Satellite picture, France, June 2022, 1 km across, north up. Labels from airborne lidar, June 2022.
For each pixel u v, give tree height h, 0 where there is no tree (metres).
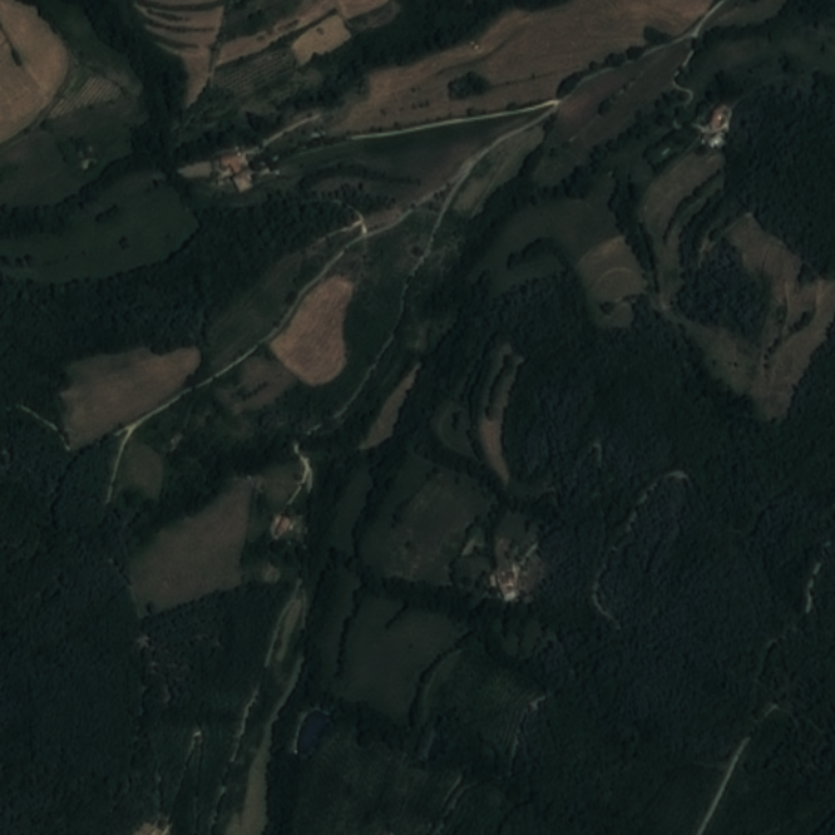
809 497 15
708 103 11
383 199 10
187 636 17
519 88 0
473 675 6
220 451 12
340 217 6
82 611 24
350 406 9
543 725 13
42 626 23
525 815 13
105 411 0
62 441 8
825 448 19
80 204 11
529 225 0
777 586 22
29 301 15
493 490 10
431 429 15
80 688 35
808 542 13
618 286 0
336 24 0
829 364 12
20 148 0
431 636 0
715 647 17
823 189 17
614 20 0
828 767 18
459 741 11
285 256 7
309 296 0
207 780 11
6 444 12
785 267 0
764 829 7
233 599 21
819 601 12
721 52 0
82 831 13
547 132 8
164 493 9
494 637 20
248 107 0
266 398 0
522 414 6
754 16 0
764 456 17
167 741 7
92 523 29
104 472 23
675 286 0
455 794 6
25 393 18
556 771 8
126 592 21
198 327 15
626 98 0
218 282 12
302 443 16
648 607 20
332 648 0
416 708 15
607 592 13
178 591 0
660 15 0
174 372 0
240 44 0
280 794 17
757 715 16
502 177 0
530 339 17
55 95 0
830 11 6
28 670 34
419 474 0
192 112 9
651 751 16
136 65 14
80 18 0
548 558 9
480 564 0
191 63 0
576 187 23
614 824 20
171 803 17
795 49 0
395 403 0
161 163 17
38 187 0
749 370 0
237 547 0
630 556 15
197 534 0
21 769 12
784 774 19
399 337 9
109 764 28
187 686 17
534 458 16
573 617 13
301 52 0
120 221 0
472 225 14
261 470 9
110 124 0
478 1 15
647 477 13
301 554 14
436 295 14
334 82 18
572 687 16
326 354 0
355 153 0
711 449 20
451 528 0
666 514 9
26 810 21
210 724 9
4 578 20
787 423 10
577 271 14
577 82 13
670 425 13
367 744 17
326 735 10
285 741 18
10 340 19
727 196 8
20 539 18
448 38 28
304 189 8
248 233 16
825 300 0
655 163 7
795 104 8
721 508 25
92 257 0
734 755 9
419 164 0
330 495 18
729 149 16
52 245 0
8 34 0
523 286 7
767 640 15
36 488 21
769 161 17
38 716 27
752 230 0
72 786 17
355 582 0
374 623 0
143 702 14
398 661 0
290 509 7
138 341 11
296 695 17
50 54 0
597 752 13
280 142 0
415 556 0
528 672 15
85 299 12
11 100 0
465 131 0
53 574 25
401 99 0
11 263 20
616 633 18
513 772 7
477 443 10
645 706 20
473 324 21
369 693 0
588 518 13
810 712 12
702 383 26
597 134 0
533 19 0
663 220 0
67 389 12
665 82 0
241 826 0
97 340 14
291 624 0
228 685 16
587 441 11
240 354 7
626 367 15
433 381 11
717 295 10
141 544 8
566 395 19
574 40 0
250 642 22
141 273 17
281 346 0
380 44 8
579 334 19
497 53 0
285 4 0
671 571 12
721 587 19
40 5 11
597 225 0
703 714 23
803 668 16
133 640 21
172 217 0
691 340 26
